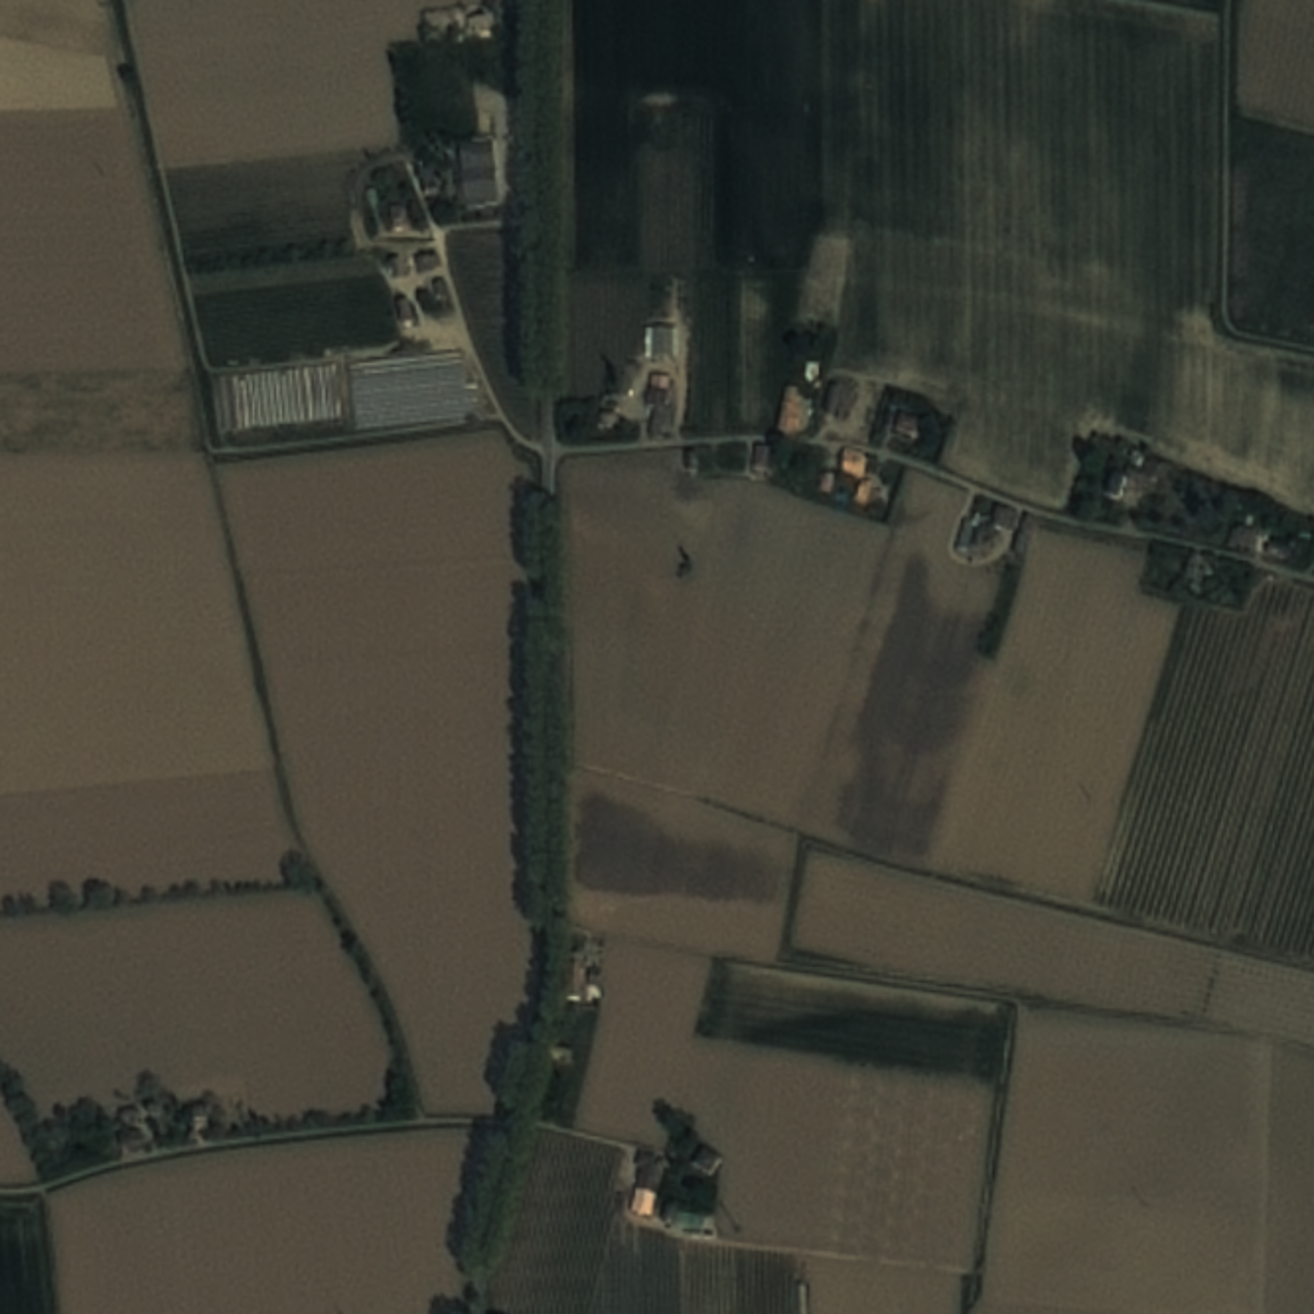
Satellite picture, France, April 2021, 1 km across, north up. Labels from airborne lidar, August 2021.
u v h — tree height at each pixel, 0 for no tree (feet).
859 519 0
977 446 0
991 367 0
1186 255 0
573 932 92
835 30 0
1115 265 0
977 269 0
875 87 0
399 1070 36
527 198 101
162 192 0
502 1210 111
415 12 0
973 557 0
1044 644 0
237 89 0
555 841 110
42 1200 0
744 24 0
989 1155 0
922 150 0
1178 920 0
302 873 65
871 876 0
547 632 108
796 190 0
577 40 0
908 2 0
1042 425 0
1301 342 0
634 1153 0
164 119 0
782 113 0
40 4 0
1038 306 0
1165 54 0
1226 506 63
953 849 0
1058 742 0
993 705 0
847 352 0
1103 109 0
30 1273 0
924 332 0
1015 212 0
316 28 0
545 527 100
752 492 0
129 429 0
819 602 0
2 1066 30
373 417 0
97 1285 0
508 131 0
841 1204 0
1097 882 0
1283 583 0
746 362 0
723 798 0
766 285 0
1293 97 0
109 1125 35
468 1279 83
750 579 0
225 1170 0
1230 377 0
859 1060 0
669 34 0
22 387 0
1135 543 0
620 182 0
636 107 0
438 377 0
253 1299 0
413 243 0
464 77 0
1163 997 0
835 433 0
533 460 0
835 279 0
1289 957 0
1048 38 0
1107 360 0
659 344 0
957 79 0
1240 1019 0
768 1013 0
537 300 127
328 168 0
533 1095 110
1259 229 0
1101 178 0
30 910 49
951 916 0
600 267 0
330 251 21
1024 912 0
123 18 0
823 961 0
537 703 117
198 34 0
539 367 133
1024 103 0
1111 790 0
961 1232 0
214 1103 23
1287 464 0
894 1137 0
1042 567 0
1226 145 0
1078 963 0
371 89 0
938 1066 0
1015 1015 0
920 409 32
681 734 0
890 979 0
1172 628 0
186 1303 0
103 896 64
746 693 0
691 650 0
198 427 0
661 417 0
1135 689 0
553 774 117
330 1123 38
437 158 26
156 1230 0
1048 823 0
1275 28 0
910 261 0
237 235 0
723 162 0
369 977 31
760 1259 0
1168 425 0
